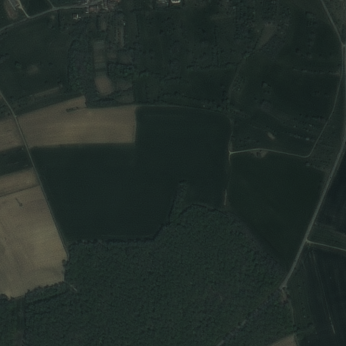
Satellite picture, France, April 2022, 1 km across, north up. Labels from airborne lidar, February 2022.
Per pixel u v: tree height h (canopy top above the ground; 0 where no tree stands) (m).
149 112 0
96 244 14
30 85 0
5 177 0
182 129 0
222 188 0
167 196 0
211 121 0
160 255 26
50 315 27
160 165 0
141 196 0
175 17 0
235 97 0
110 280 25
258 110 0
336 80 0
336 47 0
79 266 22
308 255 0
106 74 0
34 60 0
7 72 0
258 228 0
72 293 26
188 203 0
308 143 0
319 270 0
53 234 0
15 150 0
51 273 0
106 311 23
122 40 0
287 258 0
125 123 0
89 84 22
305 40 0
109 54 0
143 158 0
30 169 0
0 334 27
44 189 0
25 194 0
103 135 0
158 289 25
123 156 0
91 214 0
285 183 0
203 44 16
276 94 0
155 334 21
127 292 27
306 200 0
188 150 0
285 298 18
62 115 0
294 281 0
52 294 19
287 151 0
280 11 0
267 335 25
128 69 14
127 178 0
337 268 0
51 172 0
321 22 0
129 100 0
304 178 0
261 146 0
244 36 5
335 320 0
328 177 0
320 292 0
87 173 0
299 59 0
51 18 0
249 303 19
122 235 0
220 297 27
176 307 25
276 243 0
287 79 0
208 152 0
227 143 0
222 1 9
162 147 0
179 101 0
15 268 0
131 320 25
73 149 0
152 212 0
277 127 0
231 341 26
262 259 26
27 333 18
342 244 0
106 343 26
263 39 0
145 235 0
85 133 0
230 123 0
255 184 0
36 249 0
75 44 10
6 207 0
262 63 0
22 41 0
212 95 0
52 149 0
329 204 0
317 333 0
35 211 0
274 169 0
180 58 0
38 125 0
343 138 0
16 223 0
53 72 0
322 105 0
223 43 0
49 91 0
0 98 0
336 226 0
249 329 26
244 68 0
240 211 0
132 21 0
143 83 0
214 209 0
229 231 23
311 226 0
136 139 0
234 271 25
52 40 0
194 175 0
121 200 0
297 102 0
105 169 0
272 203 0
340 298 0
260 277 21
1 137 0
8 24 0
